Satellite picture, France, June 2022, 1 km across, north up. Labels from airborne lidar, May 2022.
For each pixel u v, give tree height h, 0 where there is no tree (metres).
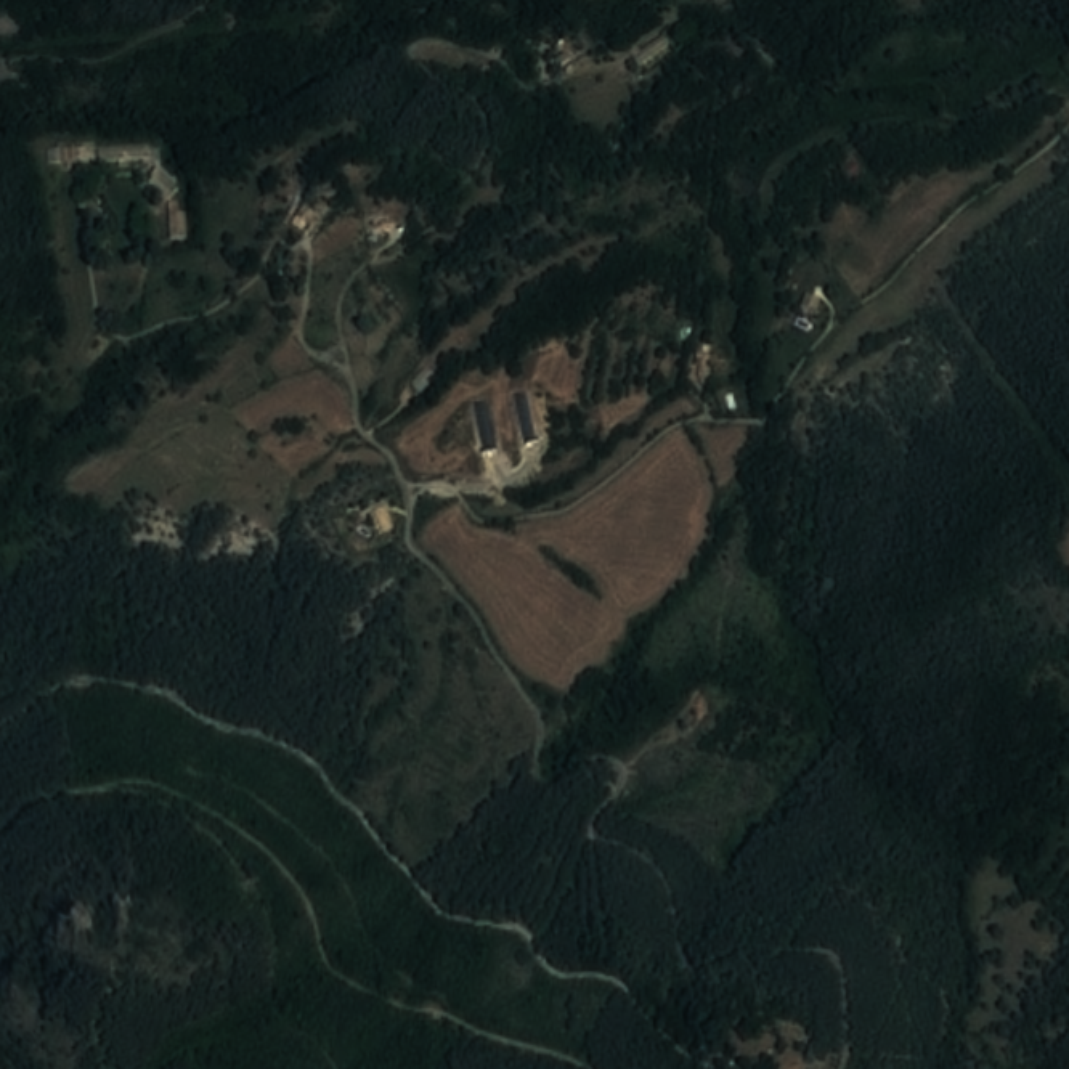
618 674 13
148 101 9
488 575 0
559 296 14
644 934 16
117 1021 19
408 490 0
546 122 19
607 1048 16
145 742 6
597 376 7
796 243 10
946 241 0
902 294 0
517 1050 11
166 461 0
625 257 13
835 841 14
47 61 12
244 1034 9
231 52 18
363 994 7
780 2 20
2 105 24
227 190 0
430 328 14
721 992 19
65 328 13
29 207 23
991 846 9
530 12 13
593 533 0
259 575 19
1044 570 6
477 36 15
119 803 7
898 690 12
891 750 16
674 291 8
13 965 13
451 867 16
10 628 16
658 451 0
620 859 12
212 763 6
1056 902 6
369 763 16
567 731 11
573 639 0
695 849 13
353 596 15
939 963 13
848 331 0
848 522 15
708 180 13
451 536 0
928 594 16
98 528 11
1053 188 7
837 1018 14
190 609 9
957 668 13
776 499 13
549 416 6
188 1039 8
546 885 13
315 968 13
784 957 13
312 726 19
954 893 9
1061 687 6
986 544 14
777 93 7
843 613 15
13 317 14
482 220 17
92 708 6
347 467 8
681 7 8
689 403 0
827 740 14
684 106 11
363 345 0
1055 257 6
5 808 15
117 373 8
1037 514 13
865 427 9
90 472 0
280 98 27
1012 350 14
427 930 12
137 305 6
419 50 0
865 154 15
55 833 22
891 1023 10
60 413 8
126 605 10
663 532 0
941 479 12
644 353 8
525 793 22
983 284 8
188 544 9
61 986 21
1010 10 11
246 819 8
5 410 6
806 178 11
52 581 15
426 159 10
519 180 11
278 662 21
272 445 0
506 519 7
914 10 8
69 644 13
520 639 0
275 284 15
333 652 16
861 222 0
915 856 15
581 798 14
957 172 6
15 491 13
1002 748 14
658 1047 17
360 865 7
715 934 28
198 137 22
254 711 18
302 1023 9
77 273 0
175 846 12
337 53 19
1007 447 12
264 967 18
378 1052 7
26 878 18
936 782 14
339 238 0
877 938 11
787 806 9
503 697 0
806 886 16
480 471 0
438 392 14
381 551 7
